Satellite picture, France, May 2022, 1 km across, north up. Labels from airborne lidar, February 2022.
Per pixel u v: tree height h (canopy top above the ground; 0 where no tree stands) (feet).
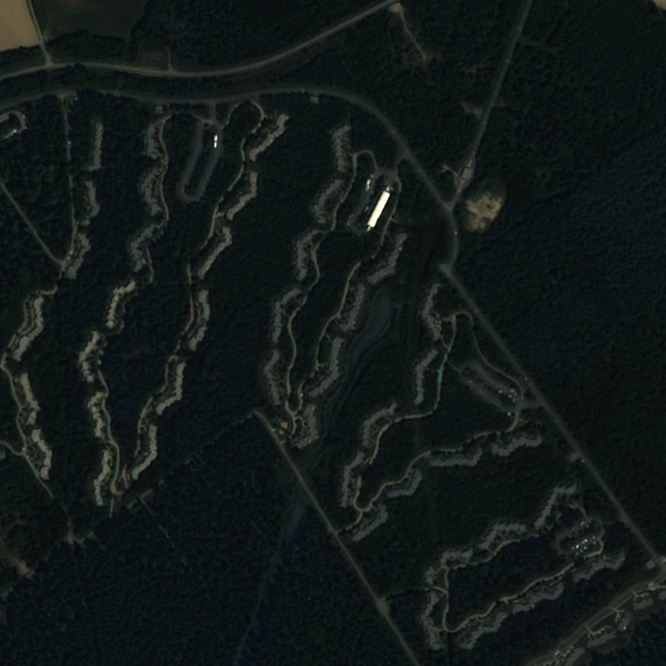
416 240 43
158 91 51
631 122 52
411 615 54
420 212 44
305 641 76
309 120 31
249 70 0
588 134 42
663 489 48
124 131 76
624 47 38
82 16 0
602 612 0
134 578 87
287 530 0
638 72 36
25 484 32
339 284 43
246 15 44
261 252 33
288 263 27
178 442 77
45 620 75
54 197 94
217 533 108
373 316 0
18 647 87
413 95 31
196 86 35
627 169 81
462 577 32
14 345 0
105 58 44
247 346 70
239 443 94
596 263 86
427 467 0
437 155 23
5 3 0
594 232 81
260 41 23
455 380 33
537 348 57
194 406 41
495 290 60
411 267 32
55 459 33
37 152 64
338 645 46
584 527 0
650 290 81
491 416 27
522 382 0
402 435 31
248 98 0
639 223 79
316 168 39
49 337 41
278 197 42
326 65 40
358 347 0
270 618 95
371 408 25
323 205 0
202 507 106
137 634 100
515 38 0
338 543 0
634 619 0
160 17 65
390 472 45
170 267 58
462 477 36
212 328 57
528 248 57
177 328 73
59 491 39
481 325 33
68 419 56
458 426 33
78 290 68
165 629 102
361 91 43
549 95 38
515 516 30
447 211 0
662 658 116
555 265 56
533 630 101
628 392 53
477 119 23
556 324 55
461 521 38
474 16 46
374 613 44
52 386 47
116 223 78
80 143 42
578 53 27
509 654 100
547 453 30
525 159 43
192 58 50
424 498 33
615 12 38
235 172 38
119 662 96
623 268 68
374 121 38
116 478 0
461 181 0
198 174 34
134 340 74
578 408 36
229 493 95
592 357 44
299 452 62
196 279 23
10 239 115
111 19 0
